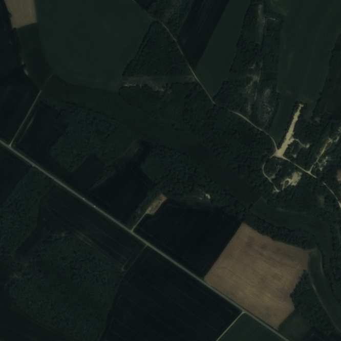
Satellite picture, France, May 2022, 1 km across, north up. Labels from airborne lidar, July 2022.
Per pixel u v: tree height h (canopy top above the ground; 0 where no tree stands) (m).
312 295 12
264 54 18
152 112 15
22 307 19
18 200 23
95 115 9
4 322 0
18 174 0
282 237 18
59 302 23
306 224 0
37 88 0
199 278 0
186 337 0
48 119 0
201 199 0
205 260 0
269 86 7
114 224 0
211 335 0
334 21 0
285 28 0
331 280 6
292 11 0
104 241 0
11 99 0
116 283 16
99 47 0
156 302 0
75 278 30
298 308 21
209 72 0
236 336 0
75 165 18
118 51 0
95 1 0
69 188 0
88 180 0
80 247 24
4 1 0
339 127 16
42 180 17
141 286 0
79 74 0
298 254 0
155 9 7
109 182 0
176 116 12
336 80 0
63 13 0
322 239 0
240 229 0
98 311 7
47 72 0
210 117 14
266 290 0
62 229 0
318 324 18
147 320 0
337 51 13
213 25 0
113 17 0
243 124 6
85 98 0
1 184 0
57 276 9
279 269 0
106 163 11
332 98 0
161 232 0
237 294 0
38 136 0
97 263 22
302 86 0
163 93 12
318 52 0
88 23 0
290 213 0
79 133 24
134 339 0
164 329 0
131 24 0
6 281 0
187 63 15
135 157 0
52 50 0
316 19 0
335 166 13
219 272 0
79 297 9
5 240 24
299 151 7
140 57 9
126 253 0
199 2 0
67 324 21
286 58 0
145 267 0
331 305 0
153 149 18
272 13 6
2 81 0
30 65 0
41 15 0
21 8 0
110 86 0
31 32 0
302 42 0
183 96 13
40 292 22
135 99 9
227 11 0
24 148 0
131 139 10
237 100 8
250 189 0
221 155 17
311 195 20
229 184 0
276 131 0
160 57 10
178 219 0
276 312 0
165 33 6
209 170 0
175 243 0
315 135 6
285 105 0
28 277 22
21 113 0
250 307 0
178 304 0
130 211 0
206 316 0
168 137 0
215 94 0
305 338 0
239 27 0
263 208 0
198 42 0
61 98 0
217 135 8
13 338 0
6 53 0
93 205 0
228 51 0
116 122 10
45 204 0
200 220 0
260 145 14
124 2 0
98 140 20
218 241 0
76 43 0
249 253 0
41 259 18
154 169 19
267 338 0
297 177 0
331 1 0
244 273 0
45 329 0
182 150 0
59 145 21
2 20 0
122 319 0
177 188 11
